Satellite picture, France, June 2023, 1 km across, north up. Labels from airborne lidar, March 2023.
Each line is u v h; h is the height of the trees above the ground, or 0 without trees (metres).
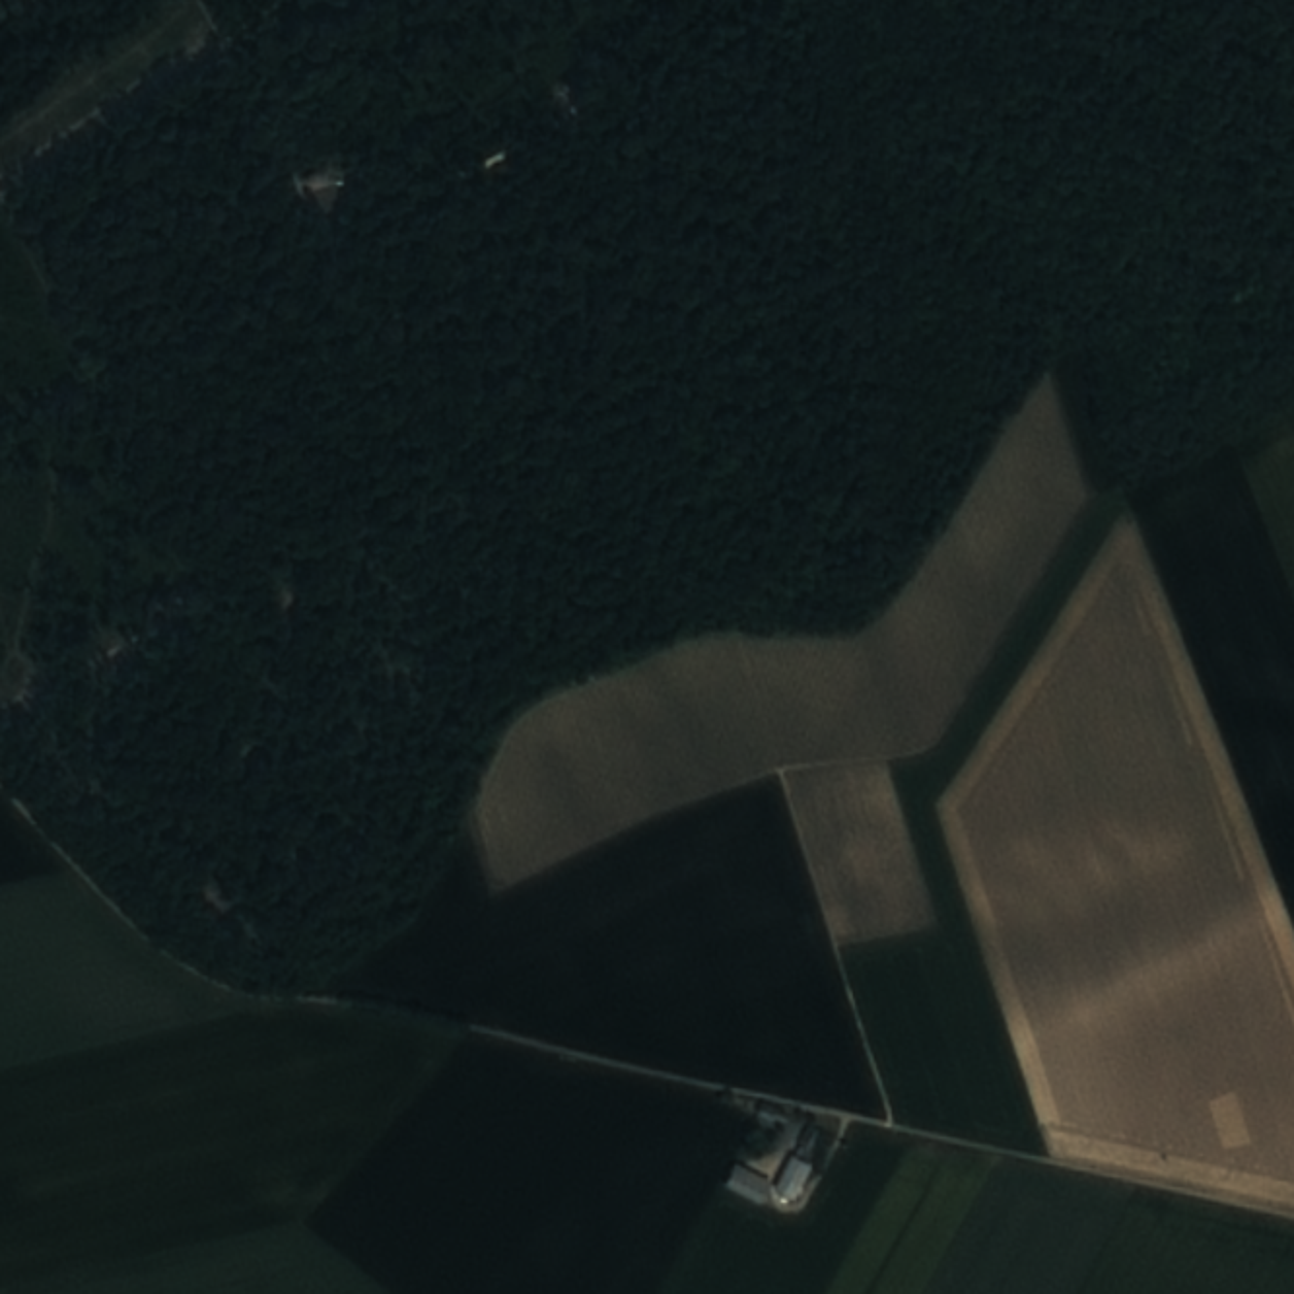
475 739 16
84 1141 0
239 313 18
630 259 29
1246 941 0
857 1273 0
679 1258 0
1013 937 0
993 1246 0
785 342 24
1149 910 0
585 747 0
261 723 20
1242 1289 0
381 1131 0
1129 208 21
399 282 23
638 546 24
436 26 26
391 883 11
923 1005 0
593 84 26
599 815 0
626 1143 0
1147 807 0
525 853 0
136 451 23
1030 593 0
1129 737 0
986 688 0
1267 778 0
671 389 23
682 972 0
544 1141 0
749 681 0
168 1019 0
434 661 26
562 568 21
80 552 0
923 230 17
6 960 0
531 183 24
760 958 0
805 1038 0
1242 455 0
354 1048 0
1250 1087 0
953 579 0
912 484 11
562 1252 0
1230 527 0
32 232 24
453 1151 0
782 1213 0
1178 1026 0
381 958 0
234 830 24
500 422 23
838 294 23
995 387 12
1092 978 0
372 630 24
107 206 26
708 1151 0
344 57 22
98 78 0
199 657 25
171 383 27
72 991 0
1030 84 17
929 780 0
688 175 13
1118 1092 0
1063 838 0
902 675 0
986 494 0
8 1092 0
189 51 0
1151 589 0
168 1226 0
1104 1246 0
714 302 26
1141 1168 0
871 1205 0
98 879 11
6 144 0
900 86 22
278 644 17
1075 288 19
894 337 19
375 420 21
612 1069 0
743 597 21
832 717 0
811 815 0
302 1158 0
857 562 24
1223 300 18
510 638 25
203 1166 0
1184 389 26
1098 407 18
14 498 0
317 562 26
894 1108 0
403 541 20
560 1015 0
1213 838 0
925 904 0
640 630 24
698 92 14
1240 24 17
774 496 22
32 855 0
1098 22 22
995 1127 0
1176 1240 0
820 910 0
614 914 0
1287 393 19
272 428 29
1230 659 0
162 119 26
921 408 17
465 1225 0
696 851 0
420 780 20
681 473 24
